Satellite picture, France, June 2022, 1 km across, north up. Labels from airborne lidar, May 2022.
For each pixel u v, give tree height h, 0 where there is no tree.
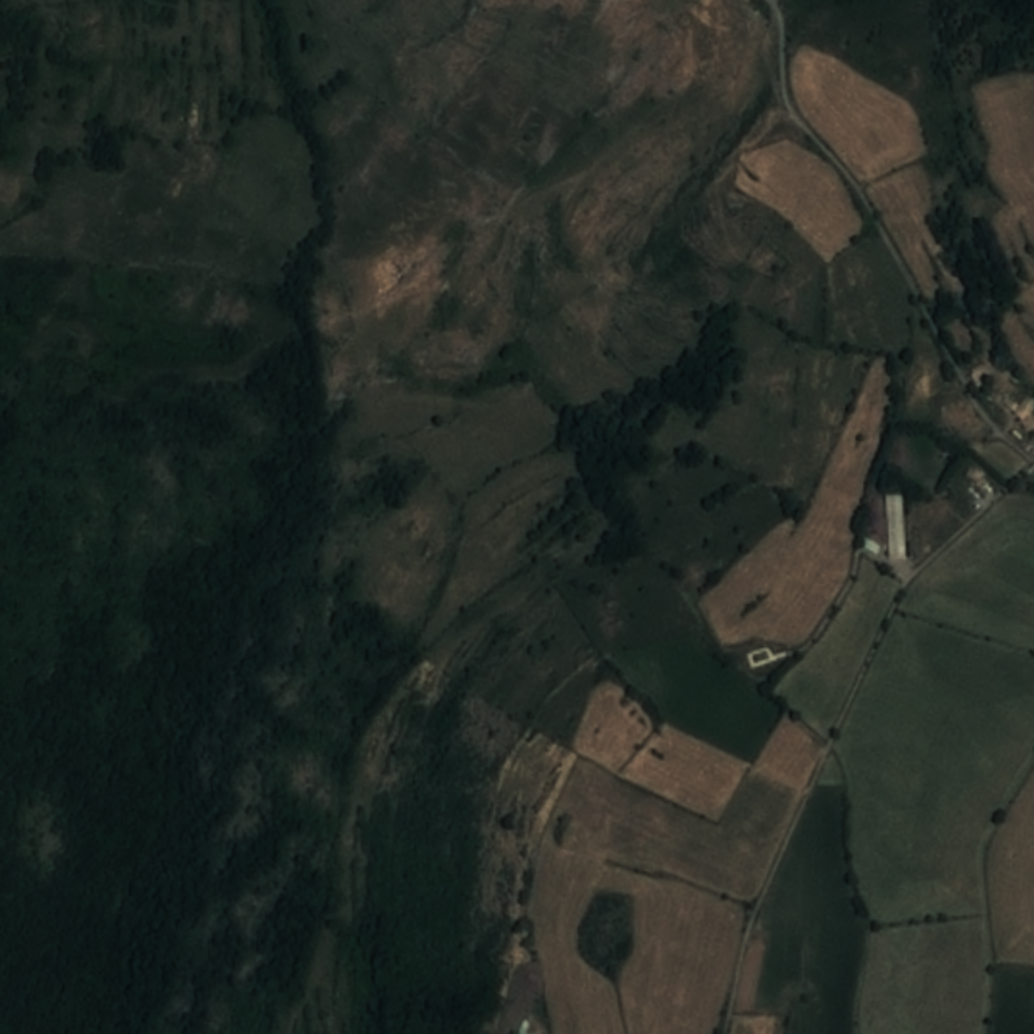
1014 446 0
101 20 0
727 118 0
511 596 0
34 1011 12
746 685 0
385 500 8
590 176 0
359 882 0
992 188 8
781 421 0
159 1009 9
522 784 0
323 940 0
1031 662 0
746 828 0
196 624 12
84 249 0
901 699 0
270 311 0
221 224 0
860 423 0
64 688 15
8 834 10
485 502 0
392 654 6
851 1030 0
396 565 0
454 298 0
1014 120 0
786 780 0
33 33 8
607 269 0
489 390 0
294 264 13
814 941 0
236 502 6
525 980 0
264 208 0
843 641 0
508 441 0
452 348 0
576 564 0
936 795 0
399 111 0
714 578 12
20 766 10
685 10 0
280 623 5
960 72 6
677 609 0
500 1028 0
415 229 0
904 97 0
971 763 0
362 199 0
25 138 0
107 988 17
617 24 0
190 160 0
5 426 11
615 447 10
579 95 0
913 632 0
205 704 14
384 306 0
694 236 0
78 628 7
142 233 0
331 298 0
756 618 0
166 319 0
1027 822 0
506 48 0
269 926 7
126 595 7
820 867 0
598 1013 0
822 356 0
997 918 0
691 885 0
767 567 0
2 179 0
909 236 0
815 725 0
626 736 0
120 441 6
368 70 0
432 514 0
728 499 7
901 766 0
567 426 13
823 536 0
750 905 8
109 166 9
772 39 0
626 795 0
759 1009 0
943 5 5
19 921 14
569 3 0
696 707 0
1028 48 9
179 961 10
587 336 0
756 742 0
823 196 0
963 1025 0
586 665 0
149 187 0
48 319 0
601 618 0
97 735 9
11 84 11
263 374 9
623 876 0
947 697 0
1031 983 0
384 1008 13
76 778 14
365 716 6
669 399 6
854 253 0
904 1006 0
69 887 11
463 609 9
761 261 0
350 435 0
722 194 0
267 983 12
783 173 0
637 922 0
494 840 0
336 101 0
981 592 0
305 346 11
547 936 0
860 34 0
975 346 11
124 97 0
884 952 0
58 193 0
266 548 8
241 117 7
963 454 12
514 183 0
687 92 0
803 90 0
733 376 10
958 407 0
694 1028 0
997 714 0
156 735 12
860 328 0
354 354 0
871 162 0
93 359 0
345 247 0
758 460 0
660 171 0
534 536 9
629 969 0
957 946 0
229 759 6
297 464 9
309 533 5
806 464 0
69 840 11
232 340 10
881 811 0
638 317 0
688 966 0
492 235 0
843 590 0
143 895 13
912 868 0
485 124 0
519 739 0
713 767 0
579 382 0
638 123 0
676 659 0
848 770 0
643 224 0
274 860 6
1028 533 0
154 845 12
